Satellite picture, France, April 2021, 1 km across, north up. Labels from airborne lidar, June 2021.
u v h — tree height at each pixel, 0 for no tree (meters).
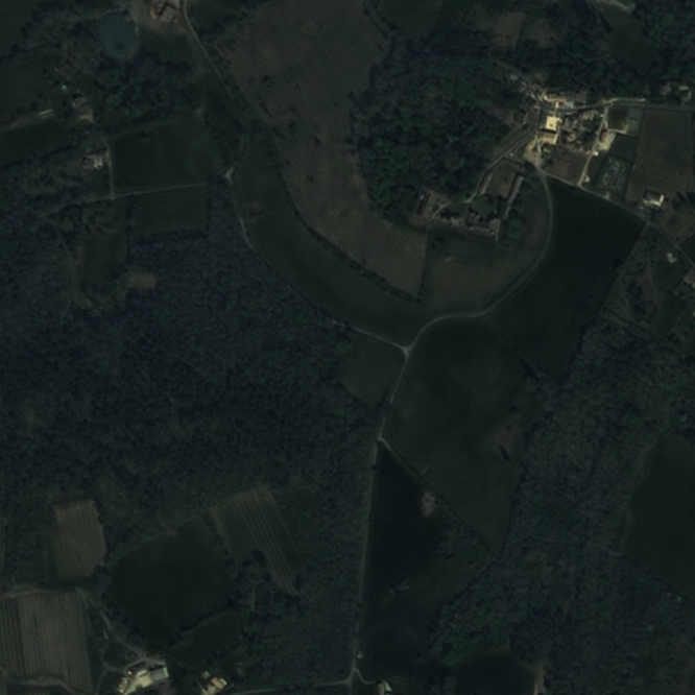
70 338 23
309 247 0
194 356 22
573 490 17
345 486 20
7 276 24
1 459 19
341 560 15
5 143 0
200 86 0
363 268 12
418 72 20
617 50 0
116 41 0
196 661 0
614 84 18
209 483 22
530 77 9
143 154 0
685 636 14
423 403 0
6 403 9
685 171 0
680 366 16
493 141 16
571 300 0
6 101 0
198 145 0
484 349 0
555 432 15
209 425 22
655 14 21
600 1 0
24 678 0
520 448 0
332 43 0
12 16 0
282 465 16
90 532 0
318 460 20
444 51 12
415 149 18
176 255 24
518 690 0
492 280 0
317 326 25
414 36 0
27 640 0
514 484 0
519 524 14
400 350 0
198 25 0
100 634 0
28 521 10
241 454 26
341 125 0
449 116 17
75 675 0
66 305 26
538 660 24
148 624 0
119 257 0
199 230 0
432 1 0
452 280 0
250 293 25
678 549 0
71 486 16
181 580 0
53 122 0
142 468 21
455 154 14
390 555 0
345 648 14
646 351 14
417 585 0
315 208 0
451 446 0
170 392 19
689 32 18
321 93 0
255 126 11
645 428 23
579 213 0
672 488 0
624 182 0
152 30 0
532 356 0
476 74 18
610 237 0
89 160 0
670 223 0
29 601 0
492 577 11
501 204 6
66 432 25
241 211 15
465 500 0
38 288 25
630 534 0
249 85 9
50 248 25
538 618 19
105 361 16
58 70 9
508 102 18
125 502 18
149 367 12
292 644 20
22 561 16
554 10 8
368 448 20
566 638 23
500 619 7
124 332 23
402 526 0
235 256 22
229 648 0
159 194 0
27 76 0
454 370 0
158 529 23
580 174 0
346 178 0
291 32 0
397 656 0
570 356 0
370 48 0
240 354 24
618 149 0
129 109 23
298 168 0
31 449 15
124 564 0
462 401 0
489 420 0
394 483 0
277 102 0
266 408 17
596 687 21
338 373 9
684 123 0
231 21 11
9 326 16
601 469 19
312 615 22
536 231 0
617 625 21
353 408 18
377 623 0
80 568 0
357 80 0
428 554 0
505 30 0
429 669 0
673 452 0
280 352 26
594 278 0
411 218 0
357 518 16
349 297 0
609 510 22
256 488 20
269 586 21
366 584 0
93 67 20
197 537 0
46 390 25
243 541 0
